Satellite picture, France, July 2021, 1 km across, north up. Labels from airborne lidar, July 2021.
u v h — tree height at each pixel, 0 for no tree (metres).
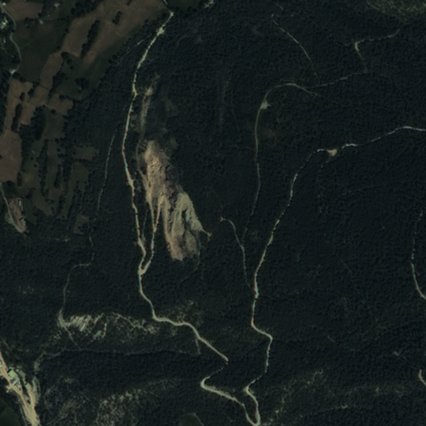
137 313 10
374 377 10
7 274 10
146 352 7
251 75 8
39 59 0
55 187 8
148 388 5
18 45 0
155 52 8
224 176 13
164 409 10
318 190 12
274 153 10
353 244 13
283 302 12
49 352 9
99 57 0
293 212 10
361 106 12
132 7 0
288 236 11
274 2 8
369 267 10
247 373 10
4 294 10
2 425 0
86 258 9
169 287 9
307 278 7
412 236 13
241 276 8
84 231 6
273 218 9
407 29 11
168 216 0
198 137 11
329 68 10
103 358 12
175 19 11
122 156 7
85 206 10
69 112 9
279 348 9
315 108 10
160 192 0
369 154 8
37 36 0
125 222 7
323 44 10
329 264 9
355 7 11
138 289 10
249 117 7
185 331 9
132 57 7
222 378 8
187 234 0
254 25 9
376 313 11
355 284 8
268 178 9
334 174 9
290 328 8
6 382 20
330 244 9
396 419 9
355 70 10
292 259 9
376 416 11
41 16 14
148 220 6
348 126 11
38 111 10
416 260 8
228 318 11
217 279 10
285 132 7
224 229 9
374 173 10
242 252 8
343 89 8
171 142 0
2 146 0
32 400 0
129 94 10
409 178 14
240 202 10
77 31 0
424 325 12
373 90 7
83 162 10
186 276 8
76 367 9
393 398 11
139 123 0
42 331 10
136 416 6
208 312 8
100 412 7
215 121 9
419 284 6
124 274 6
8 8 0
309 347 13
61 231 6
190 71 11
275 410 6
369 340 6
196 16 10
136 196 7
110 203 6
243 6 8
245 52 8
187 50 6
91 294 7
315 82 9
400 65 8
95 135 8
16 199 0
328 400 7
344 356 10
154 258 6
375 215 9
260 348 10
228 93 7
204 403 8
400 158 10
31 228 11
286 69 8
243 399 10
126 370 9
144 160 0
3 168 0
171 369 7
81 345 6
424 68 6
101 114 10
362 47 8
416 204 10
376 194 15
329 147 11
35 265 7
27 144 13
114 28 0
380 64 7
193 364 9
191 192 7
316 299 7
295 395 7
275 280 12
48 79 0
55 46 0
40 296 11
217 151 11
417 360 6
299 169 10
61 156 14
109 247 9
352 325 8
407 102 13
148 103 0
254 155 8
